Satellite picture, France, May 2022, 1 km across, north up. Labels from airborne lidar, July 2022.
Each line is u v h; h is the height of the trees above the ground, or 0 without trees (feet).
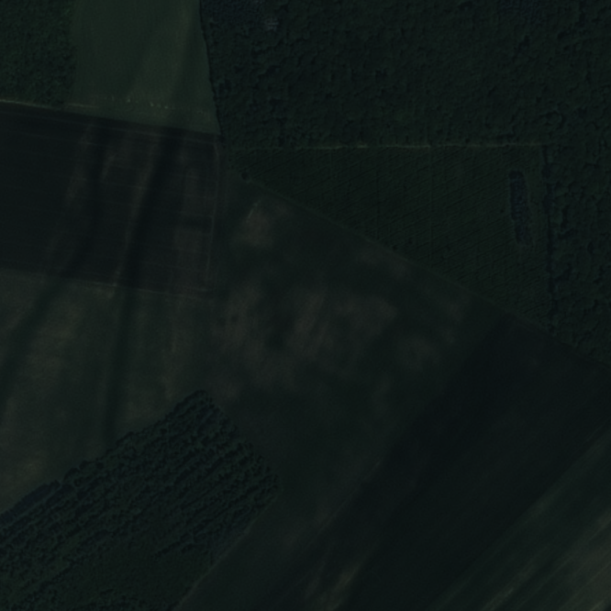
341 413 0
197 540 58
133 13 0
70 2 49
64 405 0
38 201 0
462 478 0
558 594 0
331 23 83
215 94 58
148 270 0
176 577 40
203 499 41
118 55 0
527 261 18
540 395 0
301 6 93
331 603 0
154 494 45
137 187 0
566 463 0
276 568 0
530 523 0
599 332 79
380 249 0
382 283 0
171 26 0
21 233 0
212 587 0
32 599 59
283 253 0
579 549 0
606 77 73
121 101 0
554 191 87
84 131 0
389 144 66
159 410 0
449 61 65
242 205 0
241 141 57
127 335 0
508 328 0
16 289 0
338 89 94
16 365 0
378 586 0
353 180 18
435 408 0
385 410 0
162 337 0
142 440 36
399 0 84
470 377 0
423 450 0
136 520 49
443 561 0
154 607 42
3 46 58
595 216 80
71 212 0
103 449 0
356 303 0
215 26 45
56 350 0
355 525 0
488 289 18
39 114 0
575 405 0
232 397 0
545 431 0
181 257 0
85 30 0
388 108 85
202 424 54
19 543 88
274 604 0
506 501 0
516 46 68
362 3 84
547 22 75
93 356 0
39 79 51
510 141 65
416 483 0
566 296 87
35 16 58
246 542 0
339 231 0
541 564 0
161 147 0
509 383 0
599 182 92
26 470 0
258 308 0
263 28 66
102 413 0
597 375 0
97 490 47
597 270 73
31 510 36
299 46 88
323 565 0
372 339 0
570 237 76
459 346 0
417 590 0
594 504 0
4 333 0
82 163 0
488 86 93
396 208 20
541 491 0
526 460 0
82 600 43
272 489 45
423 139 60
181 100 0
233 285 0
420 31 57
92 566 35
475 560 0
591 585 0
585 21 81
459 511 0
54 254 0
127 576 42
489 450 0
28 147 0
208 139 0
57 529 75
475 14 77
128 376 0
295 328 0
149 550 37
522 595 0
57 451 0
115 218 0
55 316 0
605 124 76
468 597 0
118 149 0
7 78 60
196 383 0
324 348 0
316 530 0
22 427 0
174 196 0
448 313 0
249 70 69
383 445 0
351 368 0
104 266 0
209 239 0
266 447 0
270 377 0
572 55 81
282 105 85
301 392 0
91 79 0
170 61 0
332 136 89
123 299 0
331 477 0
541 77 81
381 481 0
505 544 0
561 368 0
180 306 0
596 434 0
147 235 0
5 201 0
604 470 0
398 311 0
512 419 0
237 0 59
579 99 77
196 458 42
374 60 99
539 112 76
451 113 67
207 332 0
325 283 0
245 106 74
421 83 73
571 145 90
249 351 0
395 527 0
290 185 20
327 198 17
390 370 0
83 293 0
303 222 0
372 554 0
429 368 0
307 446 0
